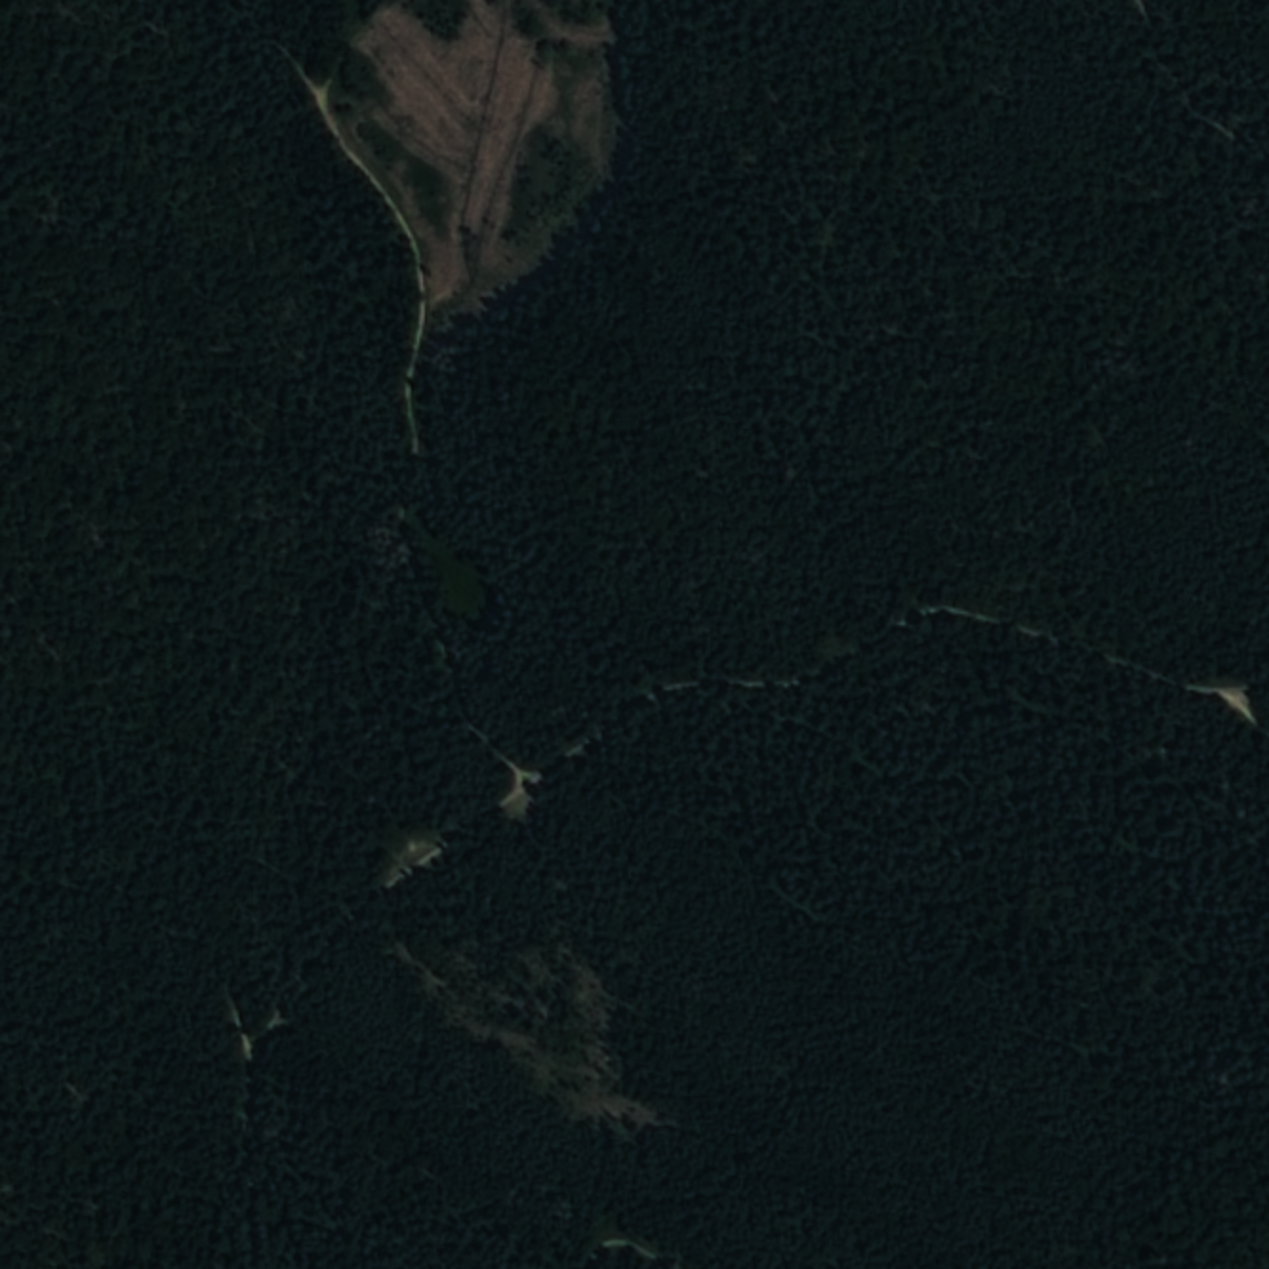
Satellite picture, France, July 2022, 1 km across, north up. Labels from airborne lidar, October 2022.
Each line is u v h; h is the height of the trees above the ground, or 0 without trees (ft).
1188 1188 78
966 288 50
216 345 55
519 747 69
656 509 58
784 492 63
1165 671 53
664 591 40
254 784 48
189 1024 64
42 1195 52
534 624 113
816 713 62
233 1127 88
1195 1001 48
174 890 55
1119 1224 66
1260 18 66
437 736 93
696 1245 75
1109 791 83
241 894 42
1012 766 60
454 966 22
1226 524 56
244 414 69
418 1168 92
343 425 81
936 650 49
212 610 40
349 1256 74
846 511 103
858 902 91
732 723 94
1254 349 68
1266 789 94
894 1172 69
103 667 32
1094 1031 82
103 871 43
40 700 66
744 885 67
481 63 0
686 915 51
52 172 52
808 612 45
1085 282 75
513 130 0
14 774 52
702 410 68
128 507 71
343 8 59
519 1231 84
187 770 72
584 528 39
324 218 55
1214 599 73
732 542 59
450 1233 80
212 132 74
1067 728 82
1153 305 75
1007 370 65
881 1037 75
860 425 69
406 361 63
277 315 53
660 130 91
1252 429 31
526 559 114
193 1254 56
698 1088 65
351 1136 68
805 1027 73
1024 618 33
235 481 62
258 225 53
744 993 57
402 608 85
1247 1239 67
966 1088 31
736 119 48
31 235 37
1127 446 51
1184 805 110
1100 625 55
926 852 24
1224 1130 27
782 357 79
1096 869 103
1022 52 55
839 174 70
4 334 44
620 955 61
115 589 54
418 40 0
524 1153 72
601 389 59
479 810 65
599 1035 18
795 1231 39
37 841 57
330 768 84
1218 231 47
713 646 61
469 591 0
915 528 49
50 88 66
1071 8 76
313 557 86
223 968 73
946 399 67
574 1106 22
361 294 92
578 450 32
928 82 59
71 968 51
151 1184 57
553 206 24
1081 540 56
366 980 78
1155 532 69
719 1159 75
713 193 93
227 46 115
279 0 53
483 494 120
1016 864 58
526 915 73
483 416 97
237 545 51
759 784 51
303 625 60
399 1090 76
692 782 75
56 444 84
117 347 53
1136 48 79
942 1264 79
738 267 83
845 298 80
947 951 88
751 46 41
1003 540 48
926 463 61
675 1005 57
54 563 52
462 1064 69
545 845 74
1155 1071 54
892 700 92
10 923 76
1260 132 117
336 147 49
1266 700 68
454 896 84
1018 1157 43
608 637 119
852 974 89
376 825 64
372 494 28
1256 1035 94
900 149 60
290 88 43
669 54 96
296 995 84
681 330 68
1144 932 78
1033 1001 100
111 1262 21
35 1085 38
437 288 0
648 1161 84
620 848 79
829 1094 82
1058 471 61
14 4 68
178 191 54
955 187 68
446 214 0
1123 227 47
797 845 91
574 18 52
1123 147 91
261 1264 102
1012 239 75
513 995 49
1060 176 44
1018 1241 39
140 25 44
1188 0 64
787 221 62
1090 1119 45
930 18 76
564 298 88
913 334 93
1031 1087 38
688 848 69
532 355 90
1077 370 84
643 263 49
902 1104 66
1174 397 55
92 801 77
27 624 75
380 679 57
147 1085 80
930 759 114
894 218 48
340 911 40
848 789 46
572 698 51
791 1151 66
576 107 0
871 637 68
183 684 68
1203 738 84
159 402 60
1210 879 103
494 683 79
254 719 55
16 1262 66
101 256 57
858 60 50
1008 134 68
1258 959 45
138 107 53
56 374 26
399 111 0
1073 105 53
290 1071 76
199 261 65
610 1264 87
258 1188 43
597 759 76
